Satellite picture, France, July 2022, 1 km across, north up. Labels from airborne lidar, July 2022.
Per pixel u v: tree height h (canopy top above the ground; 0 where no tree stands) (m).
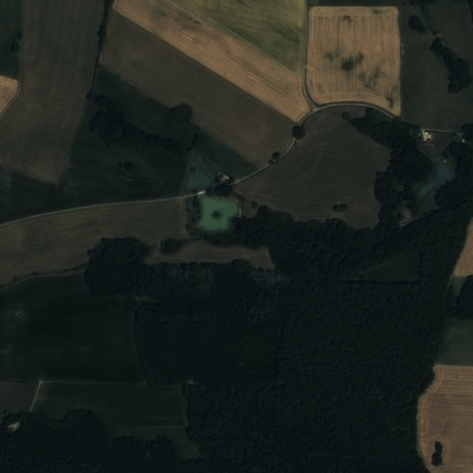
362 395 26
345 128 0
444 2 0
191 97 0
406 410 16
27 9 0
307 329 22
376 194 17
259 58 0
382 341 20
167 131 0
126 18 0
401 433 21
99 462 16
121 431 0
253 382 19
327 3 0
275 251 23
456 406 0
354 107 0
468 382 0
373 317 27
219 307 15
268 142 0
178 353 18
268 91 0
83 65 0
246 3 0
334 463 26
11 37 0
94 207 0
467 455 0
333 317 24
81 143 0
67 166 0
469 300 20
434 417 0
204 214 0
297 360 20
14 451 16
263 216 19
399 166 18
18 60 0
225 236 6
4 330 0
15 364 0
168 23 0
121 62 0
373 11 0
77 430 16
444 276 15
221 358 17
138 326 15
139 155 0
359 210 0
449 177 0
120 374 0
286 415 27
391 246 22
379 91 0
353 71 0
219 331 17
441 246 14
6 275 0
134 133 20
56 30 0
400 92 0
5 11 0
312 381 23
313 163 0
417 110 0
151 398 0
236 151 0
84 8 0
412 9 0
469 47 0
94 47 0
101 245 6
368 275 0
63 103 0
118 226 0
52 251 0
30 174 0
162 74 0
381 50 0
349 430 15
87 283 11
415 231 14
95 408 0
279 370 24
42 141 0
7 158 0
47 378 0
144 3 0
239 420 26
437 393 0
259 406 27
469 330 0
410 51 0
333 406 19
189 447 0
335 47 0
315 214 0
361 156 0
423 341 28
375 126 8
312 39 0
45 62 0
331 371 29
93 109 0
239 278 14
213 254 0
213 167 0
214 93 0
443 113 0
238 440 29
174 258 0
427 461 0
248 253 0
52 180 0
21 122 0
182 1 0
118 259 14
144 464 14
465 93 0
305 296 24
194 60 0
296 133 18
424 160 22
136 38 0
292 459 28
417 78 0
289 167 0
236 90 0
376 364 21
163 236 0
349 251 14
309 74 0
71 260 0
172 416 0
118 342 0
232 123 0
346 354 19
